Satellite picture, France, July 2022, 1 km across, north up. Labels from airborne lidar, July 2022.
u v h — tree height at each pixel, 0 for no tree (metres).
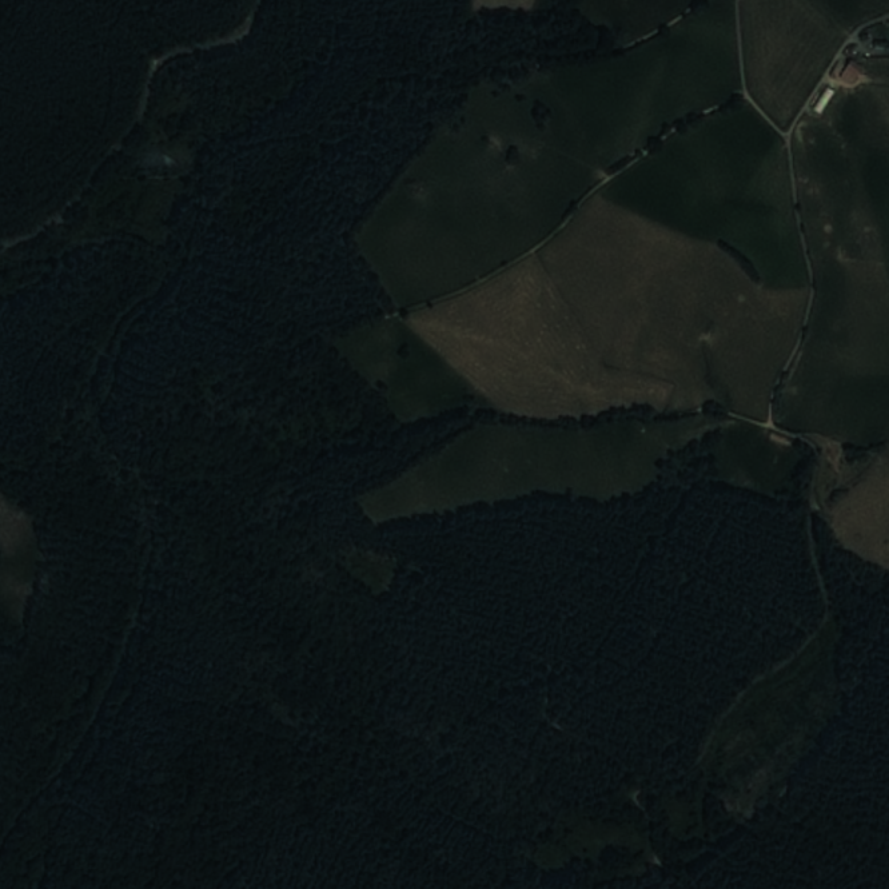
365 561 0
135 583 13
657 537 24
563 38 25
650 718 20
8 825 17
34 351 19
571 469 0
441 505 0
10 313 23
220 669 20
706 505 19
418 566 10
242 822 9
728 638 21
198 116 12
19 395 21
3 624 7
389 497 0
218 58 20
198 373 13
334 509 20
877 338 0
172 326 26
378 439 20
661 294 0
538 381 0
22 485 15
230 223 9
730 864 19
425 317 0
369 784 24
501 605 23
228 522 16
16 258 12
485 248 0
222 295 26
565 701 16
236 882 22
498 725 12
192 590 9
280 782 19
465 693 17
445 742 27
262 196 10
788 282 0
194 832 18
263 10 19
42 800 18
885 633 15
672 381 0
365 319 12
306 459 22
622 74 0
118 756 17
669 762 22
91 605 23
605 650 23
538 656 21
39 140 12
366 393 15
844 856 15
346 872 21
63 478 23
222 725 15
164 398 17
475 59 10
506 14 16
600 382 0
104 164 18
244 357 15
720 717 21
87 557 23
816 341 0
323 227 17
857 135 0
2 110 15
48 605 21
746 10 0
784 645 22
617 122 0
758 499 20
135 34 19
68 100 16
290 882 20
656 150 13
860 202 0
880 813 16
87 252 14
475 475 0
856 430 0
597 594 23
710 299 0
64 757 15
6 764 21
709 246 0
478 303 0
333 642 17
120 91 20
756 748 0
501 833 18
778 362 0
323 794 17
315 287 18
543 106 13
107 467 11
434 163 0
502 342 0
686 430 0
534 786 16
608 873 6
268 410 16
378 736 13
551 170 0
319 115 29
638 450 0
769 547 18
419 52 24
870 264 0
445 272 0
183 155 0
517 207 0
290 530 14
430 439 18
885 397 0
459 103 19
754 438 0
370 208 17
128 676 23
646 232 0
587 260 0
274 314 19
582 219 0
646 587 23
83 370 21
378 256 0
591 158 0
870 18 0
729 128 0
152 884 17
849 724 18
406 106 22
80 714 19
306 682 17
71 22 19
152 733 18
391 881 15
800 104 0
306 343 10
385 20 17
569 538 19
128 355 25
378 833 21
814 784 17
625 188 0
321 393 12
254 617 19
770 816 18
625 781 13
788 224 0
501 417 6
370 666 14
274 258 17
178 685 23
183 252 15
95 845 16
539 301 0
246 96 15
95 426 11
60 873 13
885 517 0
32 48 20
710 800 12
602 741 19
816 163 0
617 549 23
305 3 24
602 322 0
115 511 21
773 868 17
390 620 24
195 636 20
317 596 12
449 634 21
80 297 20
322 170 19
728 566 20
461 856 17
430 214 0
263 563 18
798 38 0
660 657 20
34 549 0
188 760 18
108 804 19
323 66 23
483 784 10
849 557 12
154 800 17
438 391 0
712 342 0
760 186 0
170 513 13
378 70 24
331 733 19
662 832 14
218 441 19
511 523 21
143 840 20
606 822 11
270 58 19
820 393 0
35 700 18
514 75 17
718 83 0
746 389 0
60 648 24
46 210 7
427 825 24
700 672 20
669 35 8
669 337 0
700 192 0
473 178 0
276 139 25
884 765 19
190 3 15
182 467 19
